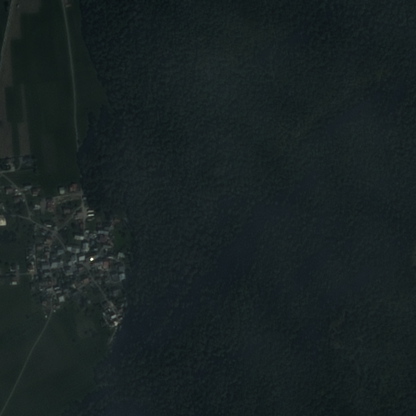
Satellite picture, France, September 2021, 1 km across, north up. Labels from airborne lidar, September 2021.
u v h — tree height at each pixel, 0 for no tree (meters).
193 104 18
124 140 26
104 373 19
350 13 26
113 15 25
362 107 21
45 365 0
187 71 23
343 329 14
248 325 16
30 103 0
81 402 0
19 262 0
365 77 13
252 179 23
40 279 14
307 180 17
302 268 13
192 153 23
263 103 23
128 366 17
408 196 20
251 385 20
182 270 26
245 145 15
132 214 24
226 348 16
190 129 19
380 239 25
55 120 0
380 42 21
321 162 19
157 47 20
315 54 22
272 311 16
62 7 0
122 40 25
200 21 15
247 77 20
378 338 24
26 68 0
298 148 20
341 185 19
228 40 14
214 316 24
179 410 22
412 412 18
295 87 19
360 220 18
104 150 24
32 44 0
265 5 14
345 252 27
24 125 0
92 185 15
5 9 7
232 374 21
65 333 0
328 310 29
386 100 24
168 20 17
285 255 22
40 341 0
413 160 22
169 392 19
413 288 21
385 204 21
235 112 25
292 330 23
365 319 16
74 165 0
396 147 29
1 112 0
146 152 24
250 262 18
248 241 15
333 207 23
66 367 0
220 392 18
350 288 17
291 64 24
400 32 27
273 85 20
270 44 20
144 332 18
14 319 0
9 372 0
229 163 25
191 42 16
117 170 23
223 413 19
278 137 20
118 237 0
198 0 17
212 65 15
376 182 23
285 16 18
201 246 27
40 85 0
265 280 23
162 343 18
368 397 22
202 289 29
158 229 12
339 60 21
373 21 23
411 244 18
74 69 0
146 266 16
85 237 0
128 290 28
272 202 25
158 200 12
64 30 0
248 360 21
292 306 18
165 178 22
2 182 0
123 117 27
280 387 25
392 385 27
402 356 28
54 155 0
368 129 23
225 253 19
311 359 14
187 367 24
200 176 21
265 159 25
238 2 19
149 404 28
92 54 25
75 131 0
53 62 0
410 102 14
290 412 18
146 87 18
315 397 29
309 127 16
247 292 13
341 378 18
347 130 20
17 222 6
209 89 16
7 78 0
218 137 25
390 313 24
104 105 0
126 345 15
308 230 25
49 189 0
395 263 22
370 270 22
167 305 20
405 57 20
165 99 20
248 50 22
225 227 23
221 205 16
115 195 26
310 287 18
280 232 15
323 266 22
